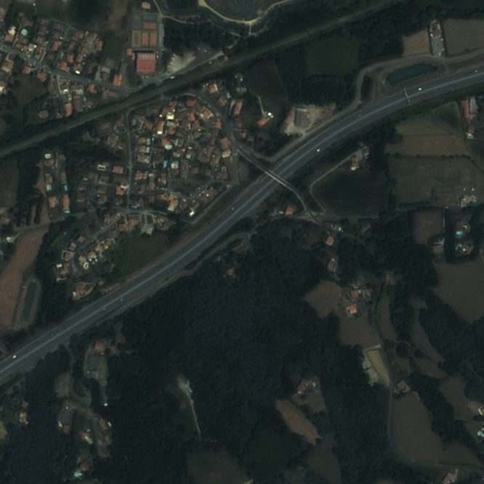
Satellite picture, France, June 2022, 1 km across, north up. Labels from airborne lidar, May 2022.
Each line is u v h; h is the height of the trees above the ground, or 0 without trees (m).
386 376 0
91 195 0
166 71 0
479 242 17
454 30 0
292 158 0
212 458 0
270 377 20
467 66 0
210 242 0
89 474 14
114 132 0
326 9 12
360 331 0
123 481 17
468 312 0
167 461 28
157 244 0
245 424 17
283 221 10
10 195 0
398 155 9
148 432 22
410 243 13
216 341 29
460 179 0
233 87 11
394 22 14
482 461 19
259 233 16
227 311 24
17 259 0
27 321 0
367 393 25
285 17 13
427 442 0
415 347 7
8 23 6
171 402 17
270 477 0
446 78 0
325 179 0
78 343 17
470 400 19
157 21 0
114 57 0
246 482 0
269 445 0
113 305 0
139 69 0
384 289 12
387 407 0
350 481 17
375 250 8
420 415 0
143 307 17
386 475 19
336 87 7
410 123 0
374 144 9
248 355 22
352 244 6
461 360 25
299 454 6
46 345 0
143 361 22
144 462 26
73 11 0
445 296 0
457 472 0
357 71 13
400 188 0
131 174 0
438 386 14
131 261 0
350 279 7
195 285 19
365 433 24
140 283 0
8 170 0
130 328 19
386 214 16
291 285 16
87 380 15
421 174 0
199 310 25
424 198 0
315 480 25
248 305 26
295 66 11
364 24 9
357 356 17
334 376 13
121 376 19
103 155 8
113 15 0
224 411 17
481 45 0
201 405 12
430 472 0
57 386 0
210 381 17
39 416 21
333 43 0
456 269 0
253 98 11
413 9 18
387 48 9
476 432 0
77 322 0
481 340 24
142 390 18
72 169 11
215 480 0
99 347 0
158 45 0
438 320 21
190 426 0
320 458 0
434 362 0
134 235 0
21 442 22
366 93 9
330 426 20
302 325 25
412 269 15
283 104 0
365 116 0
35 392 20
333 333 19
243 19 0
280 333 21
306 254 25
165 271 0
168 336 21
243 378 26
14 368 0
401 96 0
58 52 9
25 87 0
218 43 25
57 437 21
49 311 11
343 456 16
